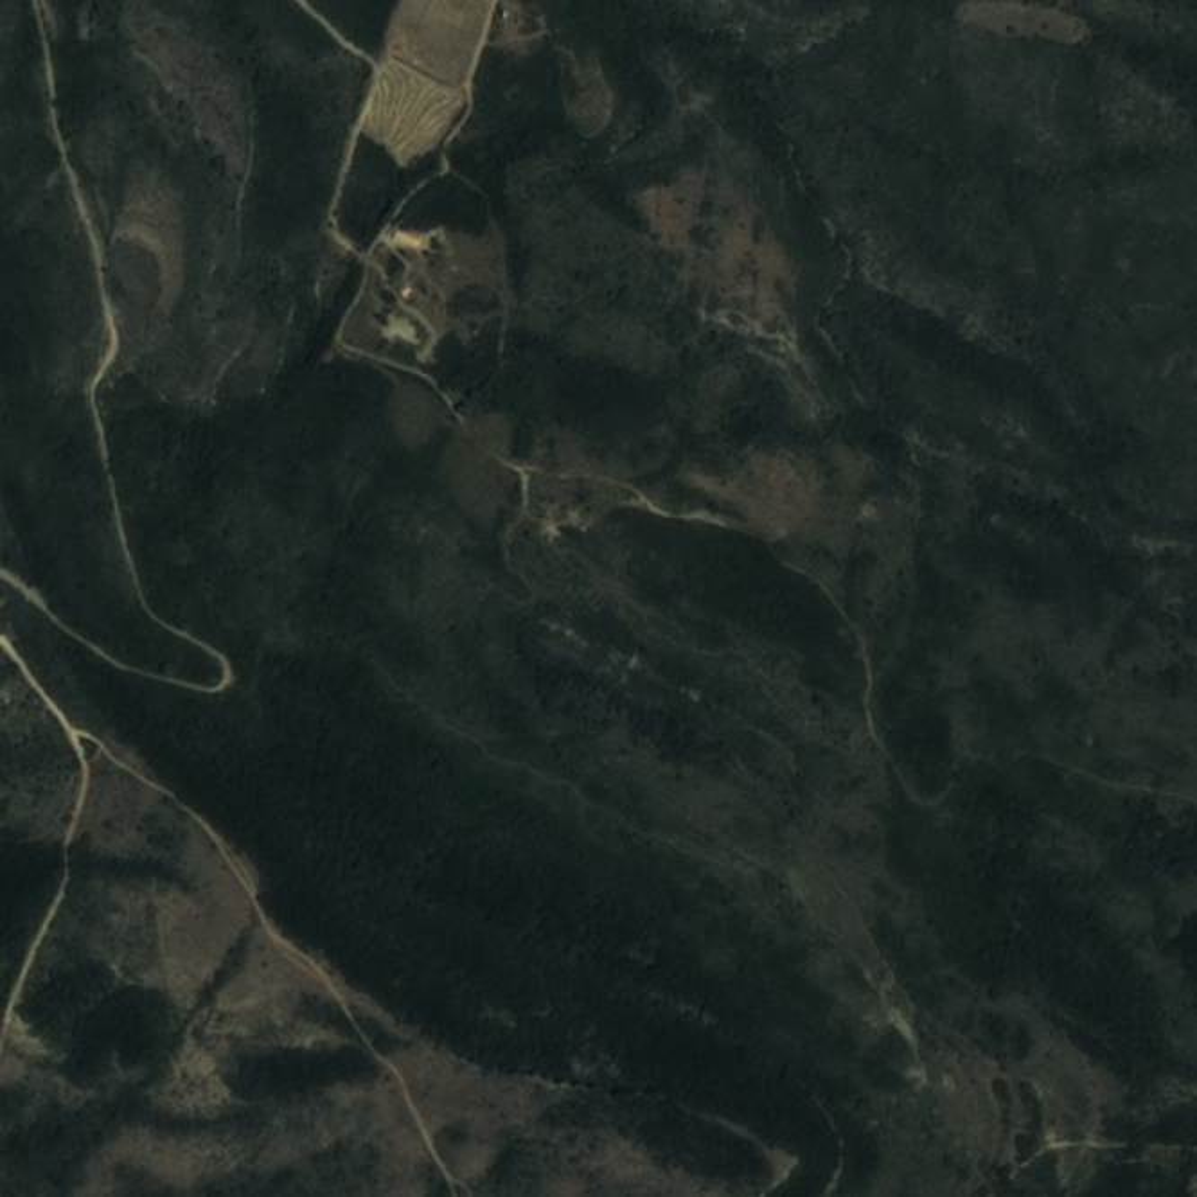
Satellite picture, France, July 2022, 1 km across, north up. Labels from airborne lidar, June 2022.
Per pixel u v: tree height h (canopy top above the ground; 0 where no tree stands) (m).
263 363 0
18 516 8
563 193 7
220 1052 0
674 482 0
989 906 6
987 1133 0
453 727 0
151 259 0
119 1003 8
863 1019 0
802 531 0
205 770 10
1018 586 6
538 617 9
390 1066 0
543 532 0
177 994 0
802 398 0
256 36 7
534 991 6
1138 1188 6
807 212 7
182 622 7
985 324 0
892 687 7
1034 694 0
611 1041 9
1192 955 10
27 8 6
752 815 0
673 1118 6
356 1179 0
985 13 0
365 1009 0
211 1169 0
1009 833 7
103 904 0
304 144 5
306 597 5
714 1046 7
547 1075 10
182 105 7
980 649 0
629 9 7
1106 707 0
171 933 0
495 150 13
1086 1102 0
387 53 0
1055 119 0
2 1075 0
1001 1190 6
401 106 0
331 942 8
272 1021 0
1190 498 0
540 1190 0
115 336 0
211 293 0
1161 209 0
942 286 0
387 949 9
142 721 9
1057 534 6
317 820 12
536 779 0
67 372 0
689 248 0
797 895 0
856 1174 6
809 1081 6
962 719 0
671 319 7
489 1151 0
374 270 0
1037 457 0
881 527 0
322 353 8
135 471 6
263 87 11
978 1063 0
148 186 0
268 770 11
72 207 0
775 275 0
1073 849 0
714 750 7
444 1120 0
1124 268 0
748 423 7
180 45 0
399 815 8
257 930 0
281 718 8
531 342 6
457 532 0
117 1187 0
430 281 0
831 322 6
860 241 0
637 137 6
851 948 0
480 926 8
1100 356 0
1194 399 0
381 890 9
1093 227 0
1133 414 0
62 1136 7
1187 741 0
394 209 15
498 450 0
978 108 0
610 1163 0
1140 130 0
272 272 6
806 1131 10
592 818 0
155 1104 0
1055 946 6
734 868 0
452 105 0
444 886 12
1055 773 0
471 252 0
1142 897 0
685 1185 0
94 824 0
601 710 7
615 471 0
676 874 0
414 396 0
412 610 0
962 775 8
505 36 0
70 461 9
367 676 8
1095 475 6
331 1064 6
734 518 0
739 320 0
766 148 8
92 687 7
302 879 8
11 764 12
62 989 8
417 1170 0
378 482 7
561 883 10
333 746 9
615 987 8
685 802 0
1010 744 0
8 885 7
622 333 0
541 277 0
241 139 0
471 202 6
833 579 0
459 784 6
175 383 0
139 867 6
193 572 7
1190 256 0
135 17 0
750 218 0
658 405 7
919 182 0
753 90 6
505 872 8
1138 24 0
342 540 8
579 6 5
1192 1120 7
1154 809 6
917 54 0
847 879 0
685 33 8
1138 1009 7
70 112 6
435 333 0
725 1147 8
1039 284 0
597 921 9
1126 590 6
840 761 0
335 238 0
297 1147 0
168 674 13
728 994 7
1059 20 0
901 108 0
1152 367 0
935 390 0
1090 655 0
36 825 0
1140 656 0
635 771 0
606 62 6
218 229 0
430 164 9
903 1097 0
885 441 8
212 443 10
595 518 0
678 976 10
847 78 0
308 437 10
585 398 6
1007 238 0
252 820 13
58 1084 0
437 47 0
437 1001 10
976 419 0
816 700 9
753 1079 6
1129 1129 6
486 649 0
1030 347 6
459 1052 8
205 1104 0
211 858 0
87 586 7
